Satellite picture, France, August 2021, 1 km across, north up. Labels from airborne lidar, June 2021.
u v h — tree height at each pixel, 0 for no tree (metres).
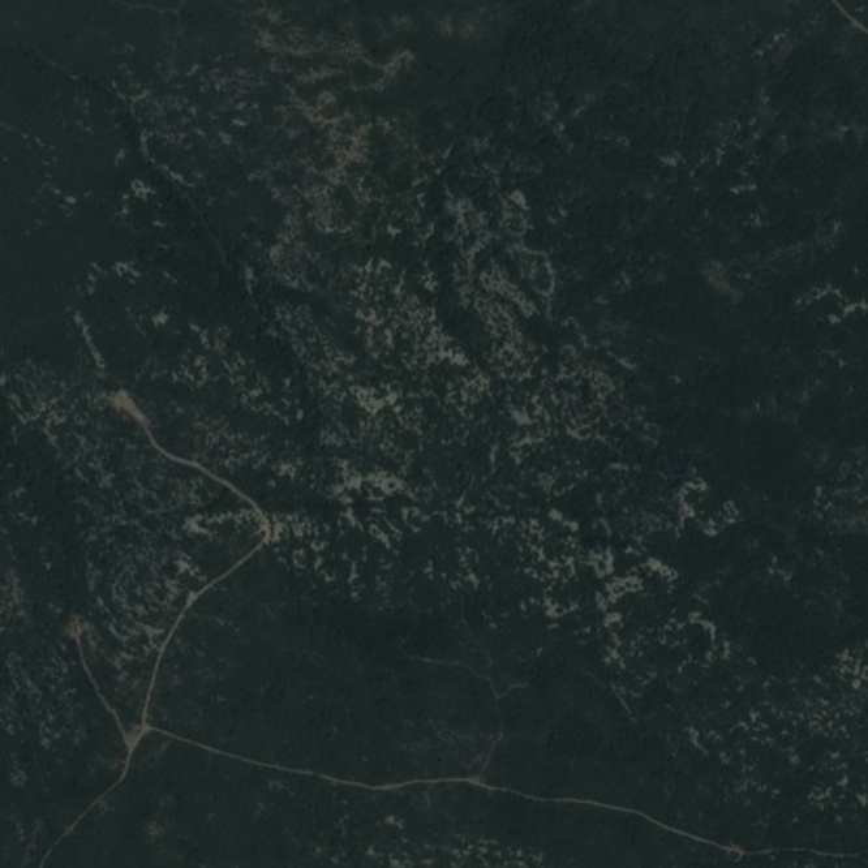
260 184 7
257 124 0
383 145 6
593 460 7
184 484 0
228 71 0
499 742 0
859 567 6
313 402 6
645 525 0
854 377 6
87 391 0
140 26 0
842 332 6
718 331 7
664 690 5
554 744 7
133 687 0
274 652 0
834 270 6
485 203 6
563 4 8
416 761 0
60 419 0
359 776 0
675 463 5
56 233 0
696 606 6
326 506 9
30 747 6
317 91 0
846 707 0
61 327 0
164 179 6
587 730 7
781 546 6
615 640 0
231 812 0
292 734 0
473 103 7
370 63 0
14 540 5
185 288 6
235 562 0
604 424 6
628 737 5
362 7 6
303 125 0
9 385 7
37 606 6
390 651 6
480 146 0
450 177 6
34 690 0
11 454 6
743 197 6
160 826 0
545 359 7
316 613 6
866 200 6
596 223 5
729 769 6
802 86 6
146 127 6
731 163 5
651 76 6
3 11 0
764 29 0
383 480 0
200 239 7
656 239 6
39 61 7
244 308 6
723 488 6
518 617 5
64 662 6
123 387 0
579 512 8
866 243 7
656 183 0
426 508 5
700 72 6
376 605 0
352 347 5
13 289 0
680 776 6
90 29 0
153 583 0
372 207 5
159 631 0
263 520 0
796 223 7
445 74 6
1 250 0
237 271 7
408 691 6
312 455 7
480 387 0
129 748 0
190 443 0
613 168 6
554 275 0
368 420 0
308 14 0
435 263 6
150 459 0
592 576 6
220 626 0
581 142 6
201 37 0
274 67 0
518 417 0
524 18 7
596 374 0
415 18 0
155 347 5
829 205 6
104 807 0
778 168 6
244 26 0
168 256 7
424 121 8
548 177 6
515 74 6
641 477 5
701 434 6
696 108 5
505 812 6
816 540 6
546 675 7
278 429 6
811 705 0
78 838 0
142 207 8
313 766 6
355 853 6
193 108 0
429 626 6
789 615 7
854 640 6
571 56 5
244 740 0
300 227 0
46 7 0
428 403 7
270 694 6
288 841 0
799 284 6
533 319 6
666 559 5
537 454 7
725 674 6
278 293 6
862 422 6
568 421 6
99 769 0
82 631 0
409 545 7
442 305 6
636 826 5
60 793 0
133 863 0
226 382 6
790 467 6
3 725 0
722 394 5
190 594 0
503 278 0
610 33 6
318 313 6
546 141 7
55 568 6
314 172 0
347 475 0
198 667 0
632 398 6
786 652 6
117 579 0
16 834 0
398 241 7
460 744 0
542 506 6
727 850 0
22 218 0
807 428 5
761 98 0
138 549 0
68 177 0
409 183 5
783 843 6
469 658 0
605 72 6
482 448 6
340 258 6
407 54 0
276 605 0
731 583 7
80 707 0
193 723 0
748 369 7
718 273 0
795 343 7
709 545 8
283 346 7
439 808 0
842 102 5
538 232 6
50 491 7
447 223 7
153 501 0
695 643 6
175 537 0
